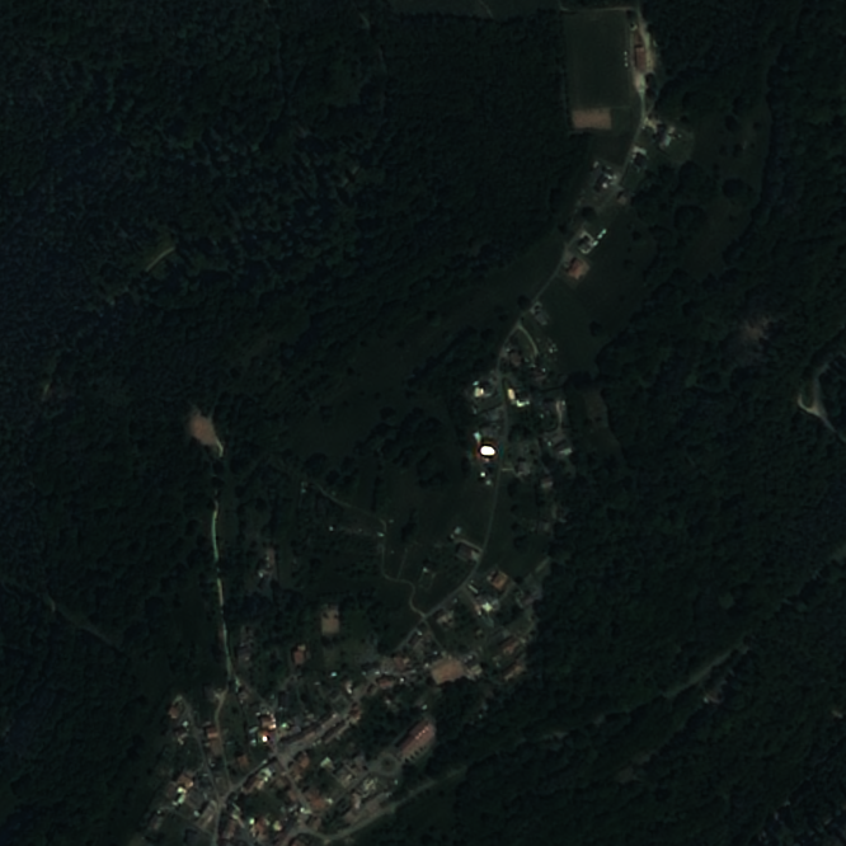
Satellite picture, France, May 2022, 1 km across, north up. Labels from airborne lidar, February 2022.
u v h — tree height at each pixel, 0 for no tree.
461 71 16
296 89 23
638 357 21
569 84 0
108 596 23
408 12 0
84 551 22
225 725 0
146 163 12
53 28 30
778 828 37
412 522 6
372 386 0
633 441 21
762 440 28
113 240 25
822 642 27
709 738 26
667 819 21
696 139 0
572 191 0
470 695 9
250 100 16
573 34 0
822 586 21
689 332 23
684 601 25
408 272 24
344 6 23
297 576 7
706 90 23
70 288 26
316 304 18
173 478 16
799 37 26
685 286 18
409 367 0
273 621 11
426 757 0
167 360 18
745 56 19
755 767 30
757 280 17
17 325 24
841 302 21
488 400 0
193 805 0
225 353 15
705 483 24
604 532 25
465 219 19
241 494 13
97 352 27
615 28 0
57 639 19
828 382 21
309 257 35
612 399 20
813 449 29
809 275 31
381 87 14
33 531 27
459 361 15
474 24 8
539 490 8
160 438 13
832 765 10
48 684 21
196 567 17
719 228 0
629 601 19
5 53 21
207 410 11
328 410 9
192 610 0
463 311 0
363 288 24
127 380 21
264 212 33
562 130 9
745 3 20
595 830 24
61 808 22
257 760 0
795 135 23
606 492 16
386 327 18
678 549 19
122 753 14
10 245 29
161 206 14
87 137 35
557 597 9
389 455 11
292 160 0
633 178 0
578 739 21
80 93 10
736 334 26
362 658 0
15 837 23
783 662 23
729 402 25
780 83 23
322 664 0
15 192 26
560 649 16
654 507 15
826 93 20
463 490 0
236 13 24
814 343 21
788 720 28
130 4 21
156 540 21
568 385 13
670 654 17
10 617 24
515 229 20
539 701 20
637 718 19
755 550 24
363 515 0
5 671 22
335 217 31
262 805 0
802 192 23
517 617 15
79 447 17
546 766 23
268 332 13
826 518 26
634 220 0
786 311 24
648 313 14
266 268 35
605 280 0
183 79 24
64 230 29
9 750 23
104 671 23
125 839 0
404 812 7
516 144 13
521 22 14
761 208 12
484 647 0
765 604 23
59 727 29
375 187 8
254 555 8
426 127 19
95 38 25
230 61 28
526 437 12
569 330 0
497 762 23
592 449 0
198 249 20
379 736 15
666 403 15
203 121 20
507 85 10
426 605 0
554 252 0
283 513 20
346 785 0
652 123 0
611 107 0
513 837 25
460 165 19
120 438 20
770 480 27
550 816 26
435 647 7
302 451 0
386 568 0
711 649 16
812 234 20
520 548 10
